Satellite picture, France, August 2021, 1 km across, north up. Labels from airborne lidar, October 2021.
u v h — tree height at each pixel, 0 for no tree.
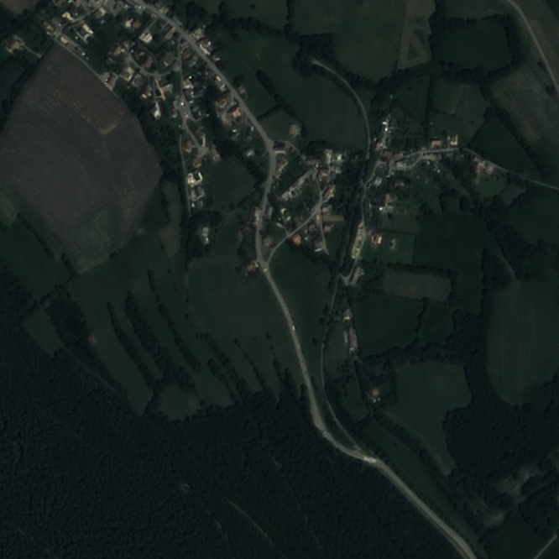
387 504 13
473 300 0
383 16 0
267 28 15
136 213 0
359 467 20
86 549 26
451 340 16
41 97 0
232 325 0
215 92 7
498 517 0
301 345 0
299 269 0
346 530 9
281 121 0
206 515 18
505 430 27
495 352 0
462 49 0
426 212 11
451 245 0
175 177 23
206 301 0
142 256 0
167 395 0
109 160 0
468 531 0
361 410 0
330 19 0
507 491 0
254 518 13
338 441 0
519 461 23
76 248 0
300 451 23
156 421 20
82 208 0
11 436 24
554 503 19
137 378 0
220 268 0
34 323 0
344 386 10
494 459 25
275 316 0
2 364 20
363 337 0
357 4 0
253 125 0
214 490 19
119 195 0
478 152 13
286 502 15
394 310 0
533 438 16
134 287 0
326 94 0
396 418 0
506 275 12
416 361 8
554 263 0
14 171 0
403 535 15
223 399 0
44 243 12
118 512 17
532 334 0
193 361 12
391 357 16
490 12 0
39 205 0
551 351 0
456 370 0
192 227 19
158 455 17
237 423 18
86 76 0
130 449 22
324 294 0
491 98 16
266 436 22
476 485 16
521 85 0
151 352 17
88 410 23
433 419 0
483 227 0
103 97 0
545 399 0
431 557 15
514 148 0
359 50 0
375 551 18
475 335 18
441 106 0
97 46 0
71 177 0
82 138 0
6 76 0
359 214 11
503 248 19
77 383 17
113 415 33
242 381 15
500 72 15
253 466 23
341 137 0
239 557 16
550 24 0
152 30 0
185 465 21
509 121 17
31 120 0
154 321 0
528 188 14
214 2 0
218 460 8
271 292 0
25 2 0
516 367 0
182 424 17
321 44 16
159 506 17
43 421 24
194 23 0
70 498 20
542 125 0
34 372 19
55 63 0
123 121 0
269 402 21
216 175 0
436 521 0
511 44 13
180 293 0
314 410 0
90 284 0
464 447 23
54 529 25
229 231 0
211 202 5
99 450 13
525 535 0
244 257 8
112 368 0
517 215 0
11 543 22
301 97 0
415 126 0
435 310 0
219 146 13
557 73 0
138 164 0
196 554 21
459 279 19
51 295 14
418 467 0
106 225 0
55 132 0
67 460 20
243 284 0
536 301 0
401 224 0
